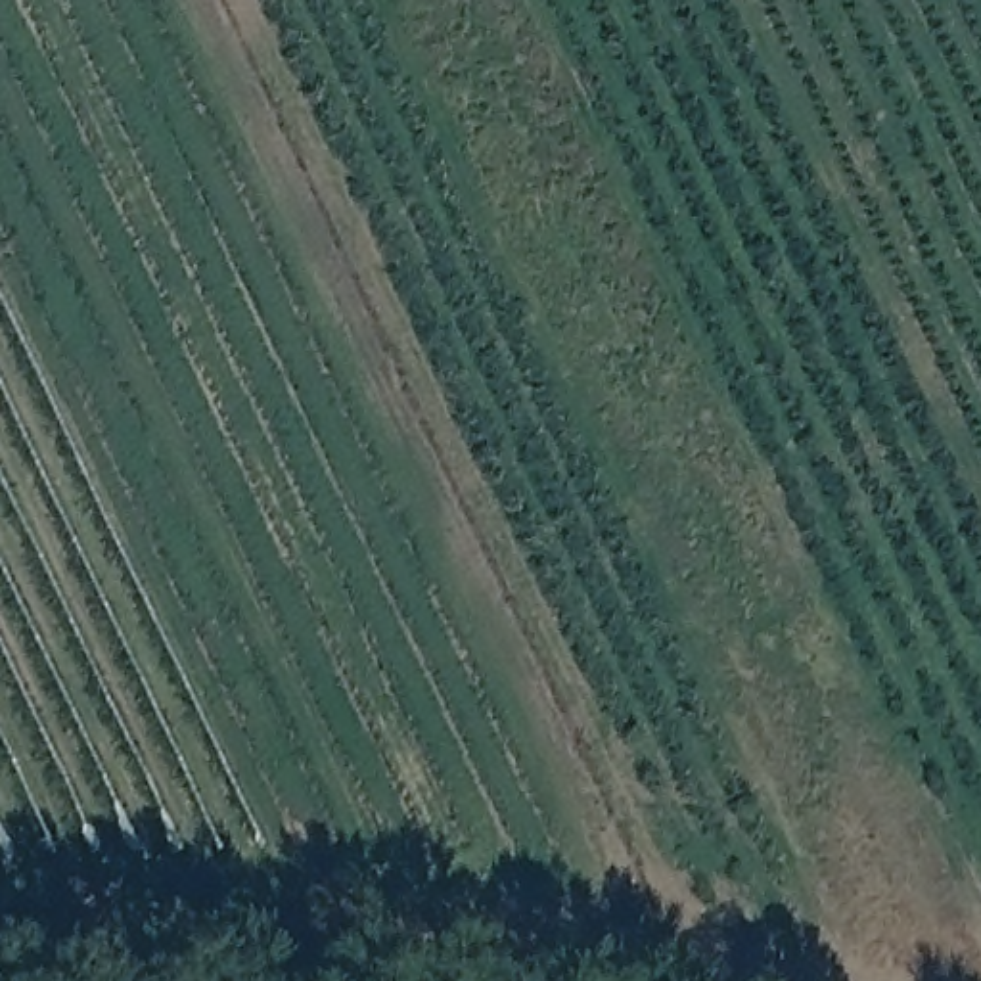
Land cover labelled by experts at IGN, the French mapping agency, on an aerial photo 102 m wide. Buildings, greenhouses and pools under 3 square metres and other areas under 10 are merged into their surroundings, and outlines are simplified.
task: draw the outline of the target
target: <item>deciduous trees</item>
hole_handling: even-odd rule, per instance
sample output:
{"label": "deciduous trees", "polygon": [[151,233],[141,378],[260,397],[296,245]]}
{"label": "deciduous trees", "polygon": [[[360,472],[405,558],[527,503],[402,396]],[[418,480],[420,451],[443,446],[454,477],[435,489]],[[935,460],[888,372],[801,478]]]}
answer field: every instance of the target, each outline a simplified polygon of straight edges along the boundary
{"label": "deciduous trees", "polygon": [[720,966],[709,962],[709,954],[701,950],[678,954],[671,943],[663,943],[640,954],[621,939],[579,947],[556,943],[552,931],[502,927],[475,916],[456,920],[448,931],[414,931],[410,924],[402,924],[399,912],[364,908],[360,924],[330,947],[295,943],[272,912],[253,908],[253,897],[238,889],[230,889],[226,901],[211,912],[192,912],[184,901],[176,901],[172,912],[161,920],[146,920],[134,904],[126,904],[88,935],[69,939],[46,935],[38,924],[19,920],[8,920],[0,931],[0,981],[720,981]]}

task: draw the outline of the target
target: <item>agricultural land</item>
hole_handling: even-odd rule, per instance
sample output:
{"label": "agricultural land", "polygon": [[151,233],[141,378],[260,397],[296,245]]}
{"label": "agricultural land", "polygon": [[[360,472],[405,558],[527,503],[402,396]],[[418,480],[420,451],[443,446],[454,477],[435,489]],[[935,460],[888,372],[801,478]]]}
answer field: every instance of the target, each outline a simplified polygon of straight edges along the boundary
{"label": "agricultural land", "polygon": [[640,954],[663,943],[671,943],[678,954],[701,950],[709,954],[709,962],[720,966],[720,981],[981,981],[981,0],[0,0],[0,931],[8,920],[19,920],[38,924],[46,935],[69,939],[88,935],[126,904],[134,904],[146,920],[161,920],[172,912],[176,901],[184,901],[192,912],[211,912],[226,901],[230,889],[238,889],[253,897],[253,908],[272,912],[295,943],[330,947],[360,924],[364,908],[399,912],[402,924],[410,924],[414,931],[448,931],[456,920],[475,916],[502,927],[552,931],[556,943],[579,947],[621,939]]}

